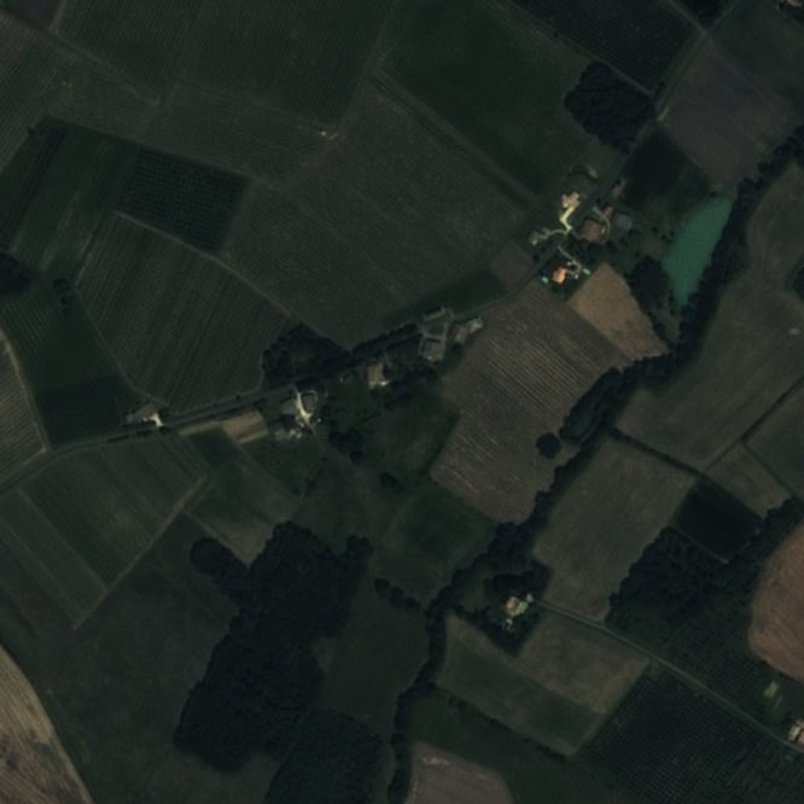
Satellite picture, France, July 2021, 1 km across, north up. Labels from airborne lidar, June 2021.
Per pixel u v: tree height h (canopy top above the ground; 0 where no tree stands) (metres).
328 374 18
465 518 0
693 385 0
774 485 0
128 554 0
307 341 9
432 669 12
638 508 0
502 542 16
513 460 0
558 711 0
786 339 0
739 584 10
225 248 0
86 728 0
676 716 5
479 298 0
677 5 0
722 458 0
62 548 0
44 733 0
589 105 17
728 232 14
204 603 0
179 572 0
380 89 0
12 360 0
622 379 20
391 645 0
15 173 0
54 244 0
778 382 0
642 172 0
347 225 0
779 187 0
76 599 0
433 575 0
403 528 0
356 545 20
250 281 0
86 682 0
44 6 0
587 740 0
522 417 0
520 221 0
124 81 0
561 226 0
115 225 0
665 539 16
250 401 0
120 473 0
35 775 0
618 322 0
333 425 7
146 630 0
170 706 0
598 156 0
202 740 18
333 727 11
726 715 6
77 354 0
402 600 23
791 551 0
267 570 19
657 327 11
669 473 0
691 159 0
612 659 0
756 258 0
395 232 0
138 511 0
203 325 0
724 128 0
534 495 0
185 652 0
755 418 0
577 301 0
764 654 0
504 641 24
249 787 0
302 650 22
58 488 0
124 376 0
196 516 0
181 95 0
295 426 12
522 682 0
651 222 0
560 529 0
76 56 0
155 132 0
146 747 0
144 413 0
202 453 0
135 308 0
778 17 0
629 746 6
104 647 0
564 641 0
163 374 0
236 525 0
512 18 0
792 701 0
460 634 0
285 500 0
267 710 29
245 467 0
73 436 0
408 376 9
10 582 0
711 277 15
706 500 0
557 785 0
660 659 0
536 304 0
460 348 9
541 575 10
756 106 0
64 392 0
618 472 0
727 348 0
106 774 0
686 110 0
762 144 0
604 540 0
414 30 0
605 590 0
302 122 0
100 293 0
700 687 0
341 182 0
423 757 0
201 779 0
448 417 0
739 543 0
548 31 0
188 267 0
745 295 0
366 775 8
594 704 0
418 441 0
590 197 0
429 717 0
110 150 0
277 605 16
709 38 0
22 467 0
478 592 0
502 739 0
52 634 0
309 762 10
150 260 0
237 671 25
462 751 0
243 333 0
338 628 22
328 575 22
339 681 0
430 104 0
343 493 0
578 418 15
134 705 0
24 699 0
